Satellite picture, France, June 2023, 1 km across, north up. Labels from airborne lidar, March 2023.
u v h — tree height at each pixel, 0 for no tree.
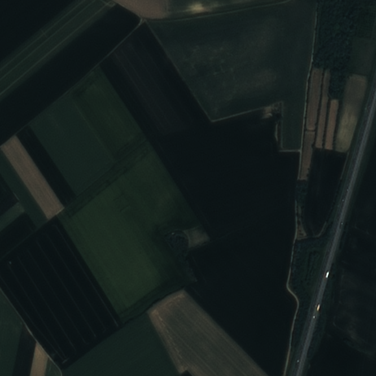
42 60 0
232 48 0
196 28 0
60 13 0
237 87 0
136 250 0
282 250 0
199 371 0
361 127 0
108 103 0
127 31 0
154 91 0
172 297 0
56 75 0
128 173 0
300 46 0
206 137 0
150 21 0
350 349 0
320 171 0
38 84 0
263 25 0
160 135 0
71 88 0
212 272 0
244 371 0
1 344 0
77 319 0
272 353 0
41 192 0
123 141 0
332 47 16
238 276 0
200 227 0
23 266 0
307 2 0
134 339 0
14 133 0
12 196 0
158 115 0
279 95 0
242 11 0
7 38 0
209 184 0
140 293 0
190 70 0
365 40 0
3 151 0
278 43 0
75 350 0
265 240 0
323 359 0
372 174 0
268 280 0
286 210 0
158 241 0
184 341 0
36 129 0
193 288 0
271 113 0
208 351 0
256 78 0
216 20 0
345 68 18
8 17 0
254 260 0
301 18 0
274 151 0
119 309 0
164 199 0
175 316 0
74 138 0
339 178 0
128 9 0
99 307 0
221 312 0
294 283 12
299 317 14
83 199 0
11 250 0
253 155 0
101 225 0
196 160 0
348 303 0
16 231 0
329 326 0
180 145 0
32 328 0
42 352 0
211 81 0
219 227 0
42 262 0
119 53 0
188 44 0
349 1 15
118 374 0
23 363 0
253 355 0
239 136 0
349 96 0
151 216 0
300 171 0
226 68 0
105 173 0
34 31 0
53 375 0
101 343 0
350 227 0
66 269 0
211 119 0
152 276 0
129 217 0
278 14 0
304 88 0
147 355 0
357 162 0
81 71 0
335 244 0
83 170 0
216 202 0
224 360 0
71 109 0
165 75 0
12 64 0
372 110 0
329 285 10
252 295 0
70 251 0
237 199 0
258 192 0
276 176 0
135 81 0
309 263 11
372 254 0
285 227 0
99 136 0
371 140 0
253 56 0
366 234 0
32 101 0
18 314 0
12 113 0
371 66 0
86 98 0
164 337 0
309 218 0
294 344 9
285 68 0
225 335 0
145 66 0
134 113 0
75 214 0
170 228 0
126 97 0
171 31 0
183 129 0
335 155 0
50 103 0
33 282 0
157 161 0
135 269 0
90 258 0
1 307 0
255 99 0
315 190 0
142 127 0
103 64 0
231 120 0
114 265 0
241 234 0
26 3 0
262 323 0
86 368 0
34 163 0
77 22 0
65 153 0
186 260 12
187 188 0
